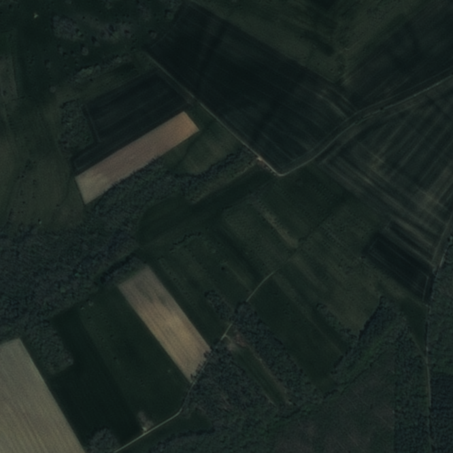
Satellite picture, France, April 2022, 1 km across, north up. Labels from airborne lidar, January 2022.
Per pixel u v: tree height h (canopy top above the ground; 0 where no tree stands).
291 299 0
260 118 0
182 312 0
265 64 0
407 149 0
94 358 0
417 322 0
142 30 0
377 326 23
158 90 0
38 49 0
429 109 0
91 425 0
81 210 0
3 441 0
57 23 15
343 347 0
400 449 24
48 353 13
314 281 0
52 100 0
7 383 0
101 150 0
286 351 24
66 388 0
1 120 0
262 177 0
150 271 0
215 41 0
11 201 0
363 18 0
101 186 0
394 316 23
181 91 0
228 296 0
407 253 0
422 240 0
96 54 0
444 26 0
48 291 26
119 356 0
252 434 23
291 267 0
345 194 0
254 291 0
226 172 23
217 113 0
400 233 0
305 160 0
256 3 0
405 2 0
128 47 0
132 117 0
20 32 0
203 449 25
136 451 0
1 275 25
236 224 0
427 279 0
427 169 0
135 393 0
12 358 0
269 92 0
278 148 0
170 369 0
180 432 0
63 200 0
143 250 0
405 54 0
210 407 22
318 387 0
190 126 0
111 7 11
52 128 0
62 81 0
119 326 0
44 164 0
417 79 0
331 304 0
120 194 30
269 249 0
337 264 0
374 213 0
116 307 0
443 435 24
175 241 0
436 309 21
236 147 0
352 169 0
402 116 0
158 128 0
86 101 0
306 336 0
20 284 19
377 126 0
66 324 0
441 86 0
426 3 0
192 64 0
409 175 0
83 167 0
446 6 0
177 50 0
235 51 0
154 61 0
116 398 0
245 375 20
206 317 0
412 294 0
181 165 0
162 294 0
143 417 0
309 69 0
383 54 0
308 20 0
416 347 20
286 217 0
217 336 0
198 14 0
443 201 0
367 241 0
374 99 0
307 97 0
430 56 0
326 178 0
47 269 23
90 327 0
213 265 0
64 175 0
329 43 0
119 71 0
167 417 0
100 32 0
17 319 10
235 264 0
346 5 0
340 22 0
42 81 0
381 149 0
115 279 19
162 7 0
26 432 0
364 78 0
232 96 0
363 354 21
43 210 0
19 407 0
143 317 0
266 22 0
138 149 0
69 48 0
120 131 0
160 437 0
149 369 0
